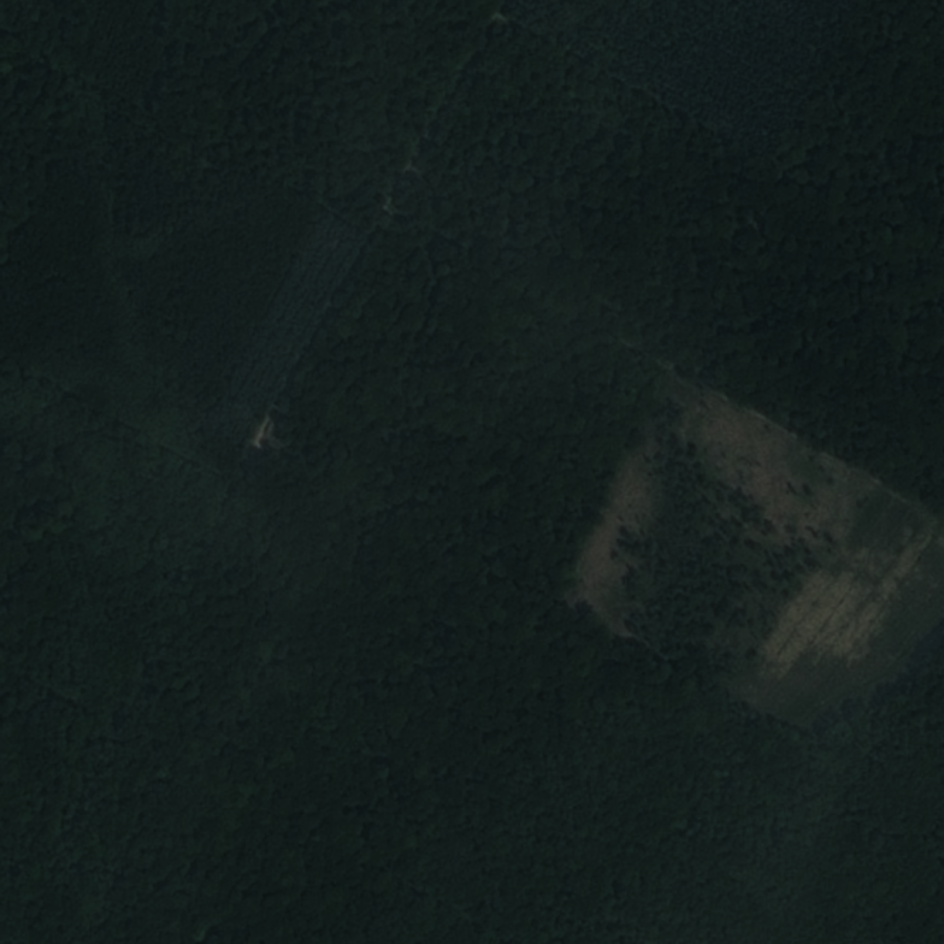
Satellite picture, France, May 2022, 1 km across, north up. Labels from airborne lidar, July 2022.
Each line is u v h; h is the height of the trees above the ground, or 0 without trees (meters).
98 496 23
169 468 17
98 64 5
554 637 23
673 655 0
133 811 25
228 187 23
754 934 22
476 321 34
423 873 20
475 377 20
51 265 19
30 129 24
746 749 24
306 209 22
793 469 0
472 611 33
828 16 23
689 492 14
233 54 27
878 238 32
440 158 24
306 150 26
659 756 18
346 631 20
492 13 17
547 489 26
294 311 17
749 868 23
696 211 30
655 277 25
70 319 21
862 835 24
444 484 25
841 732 24
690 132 20
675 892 25
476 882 22
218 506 24
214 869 27
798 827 22
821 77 21
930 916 27
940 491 31
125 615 24
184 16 25
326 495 30
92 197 23
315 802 27
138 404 20
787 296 26
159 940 24
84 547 25
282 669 29
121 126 22
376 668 30
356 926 24
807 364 33
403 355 30
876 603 0
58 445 24
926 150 28
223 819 30
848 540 0
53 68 22
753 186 30
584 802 15
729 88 21
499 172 6
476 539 26
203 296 21
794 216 26
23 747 24
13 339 19
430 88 15
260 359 22
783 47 22
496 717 24
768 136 23
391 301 27
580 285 30
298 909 28
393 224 26
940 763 20
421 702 27
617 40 23
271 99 25
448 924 23
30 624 25
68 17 22
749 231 32
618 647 23
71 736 25
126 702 24
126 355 20
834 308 31
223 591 22
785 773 28
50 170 20
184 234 23
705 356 29
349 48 28
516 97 20
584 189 25
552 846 27
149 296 21
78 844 26
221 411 22
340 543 30
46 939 24
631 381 22
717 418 0
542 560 25
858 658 0
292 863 30
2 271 18
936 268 31
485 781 28
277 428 23
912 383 30
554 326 32
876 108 23
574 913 25
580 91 28
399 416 24
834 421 30
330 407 32
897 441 28
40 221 22
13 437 18
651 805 24
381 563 29
